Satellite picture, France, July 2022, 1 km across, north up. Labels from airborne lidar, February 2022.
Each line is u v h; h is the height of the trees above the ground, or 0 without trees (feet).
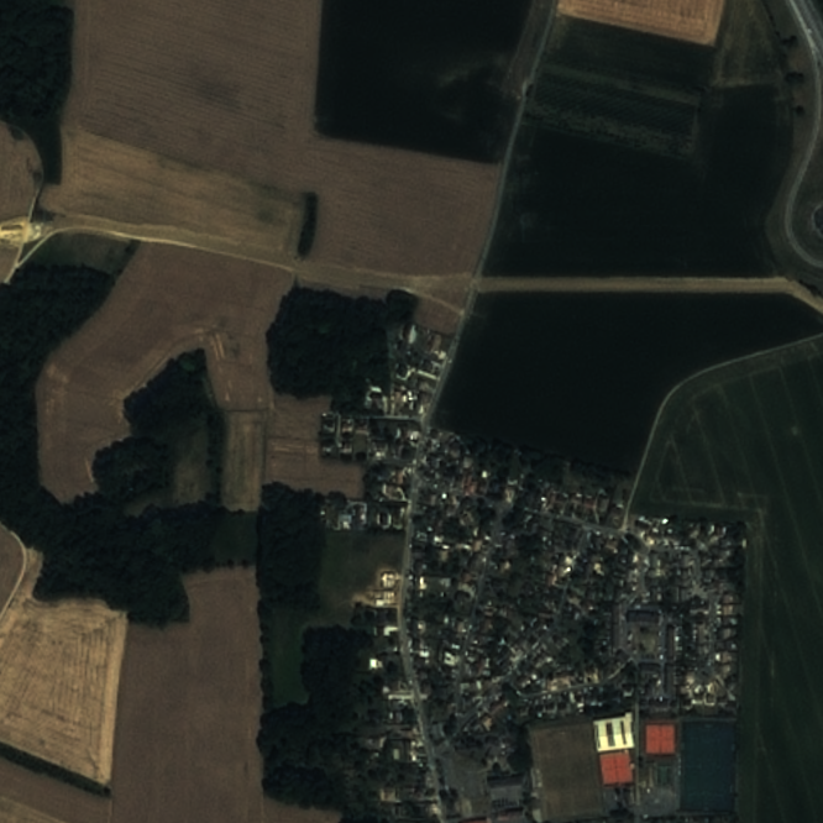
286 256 0
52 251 0
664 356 0
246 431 0
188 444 0
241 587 0
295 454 0
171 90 0
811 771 0
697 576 0
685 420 0
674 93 0
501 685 0
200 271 0
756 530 0
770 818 0
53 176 0
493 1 0
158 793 0
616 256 0
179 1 0
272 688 27
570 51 0
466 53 0
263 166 0
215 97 0
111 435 0
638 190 0
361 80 0
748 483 0
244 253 0
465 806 0
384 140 0
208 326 0
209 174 0
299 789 82
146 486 41
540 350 0
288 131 0
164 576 75
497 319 0
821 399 0
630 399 0
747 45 0
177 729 0
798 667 0
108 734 0
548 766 0
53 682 0
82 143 0
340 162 0
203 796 0
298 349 79
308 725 89
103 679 0
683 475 0
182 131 0
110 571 58
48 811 0
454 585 19
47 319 85
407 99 0
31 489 75
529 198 0
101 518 81
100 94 0
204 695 0
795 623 0
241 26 0
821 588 0
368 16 0
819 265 0
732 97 0
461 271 0
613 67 0
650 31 0
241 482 0
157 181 0
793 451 0
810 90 0
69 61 37
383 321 54
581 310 0
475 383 0
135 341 0
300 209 0
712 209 0
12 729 0
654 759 0
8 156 0
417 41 0
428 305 0
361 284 0
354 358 63
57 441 0
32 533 63
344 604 0
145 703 0
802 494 0
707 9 0
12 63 51
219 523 23
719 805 0
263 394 0
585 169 0
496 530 0
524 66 0
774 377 0
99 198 0
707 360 0
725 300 0
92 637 0
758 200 0
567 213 0
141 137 0
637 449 0
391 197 0
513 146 0
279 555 93
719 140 0
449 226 0
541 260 0
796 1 0
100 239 0
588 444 0
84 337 0
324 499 42
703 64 0
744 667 0
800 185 0
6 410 79
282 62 0
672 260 0
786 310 0
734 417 0
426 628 0
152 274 0
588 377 0
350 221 0
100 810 0
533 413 0
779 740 0
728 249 0
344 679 87
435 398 0
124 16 0
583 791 0
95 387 0
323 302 33
